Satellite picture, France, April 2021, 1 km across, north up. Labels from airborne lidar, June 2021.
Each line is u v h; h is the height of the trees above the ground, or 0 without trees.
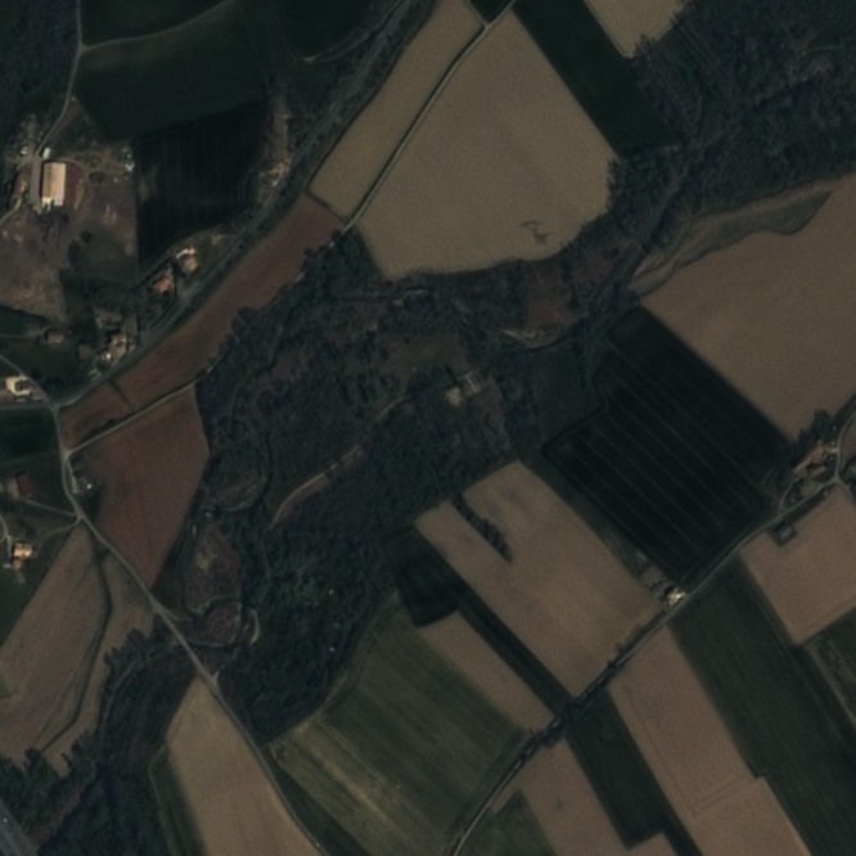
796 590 0
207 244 0
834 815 0
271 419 27
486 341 33
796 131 33
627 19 0
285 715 15
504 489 0
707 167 7
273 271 0
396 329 15
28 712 0
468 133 0
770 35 25
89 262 19
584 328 14
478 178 0
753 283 0
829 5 11
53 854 26
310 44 0
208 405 19
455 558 0
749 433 0
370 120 0
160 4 0
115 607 0
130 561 0
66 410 0
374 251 0
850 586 0
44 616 0
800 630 0
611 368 0
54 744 0
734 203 26
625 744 0
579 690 0
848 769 0
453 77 0
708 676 0
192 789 0
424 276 14
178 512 0
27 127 0
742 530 0
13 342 0
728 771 0
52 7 20
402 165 0
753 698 0
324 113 17
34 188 0
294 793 0
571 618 0
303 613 13
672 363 0
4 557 0
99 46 0
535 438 18
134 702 12
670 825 0
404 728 0
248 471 7
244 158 0
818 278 0
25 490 0
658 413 0
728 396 0
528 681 0
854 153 17
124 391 0
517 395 19
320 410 13
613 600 0
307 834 0
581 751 0
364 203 0
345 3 0
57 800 19
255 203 9
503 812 0
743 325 0
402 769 0
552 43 0
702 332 0
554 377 0
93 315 12
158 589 0
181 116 0
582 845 0
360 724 0
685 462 0
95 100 0
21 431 0
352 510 8
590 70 0
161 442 0
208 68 0
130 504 0
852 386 0
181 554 6
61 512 0
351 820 0
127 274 0
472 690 0
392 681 0
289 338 11
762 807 0
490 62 0
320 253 0
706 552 0
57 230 0
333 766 0
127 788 29
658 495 0
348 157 0
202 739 0
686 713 0
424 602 0
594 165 0
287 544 7
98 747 9
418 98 0
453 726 0
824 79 8
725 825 0
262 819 0
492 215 0
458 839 0
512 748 0
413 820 0
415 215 0
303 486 0
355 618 13
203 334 0
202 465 0
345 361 29
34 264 0
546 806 0
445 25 0
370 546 10
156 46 0
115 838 16
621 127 0
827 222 0
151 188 0
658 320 0
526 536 0
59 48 13
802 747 0
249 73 0
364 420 29
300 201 0
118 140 0
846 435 0
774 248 0
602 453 0
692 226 0
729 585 0
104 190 0
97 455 0
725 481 0
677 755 0
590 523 0
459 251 0
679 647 0
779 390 0
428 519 0
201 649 6
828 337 0
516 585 0
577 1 0
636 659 0
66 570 0
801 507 0
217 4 0
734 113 17
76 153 0
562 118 0
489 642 0
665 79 26
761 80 33
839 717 0
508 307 16
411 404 14
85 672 0
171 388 0
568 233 0
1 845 0
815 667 0
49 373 0
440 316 18
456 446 26
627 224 32
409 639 0
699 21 24
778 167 27
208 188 0
